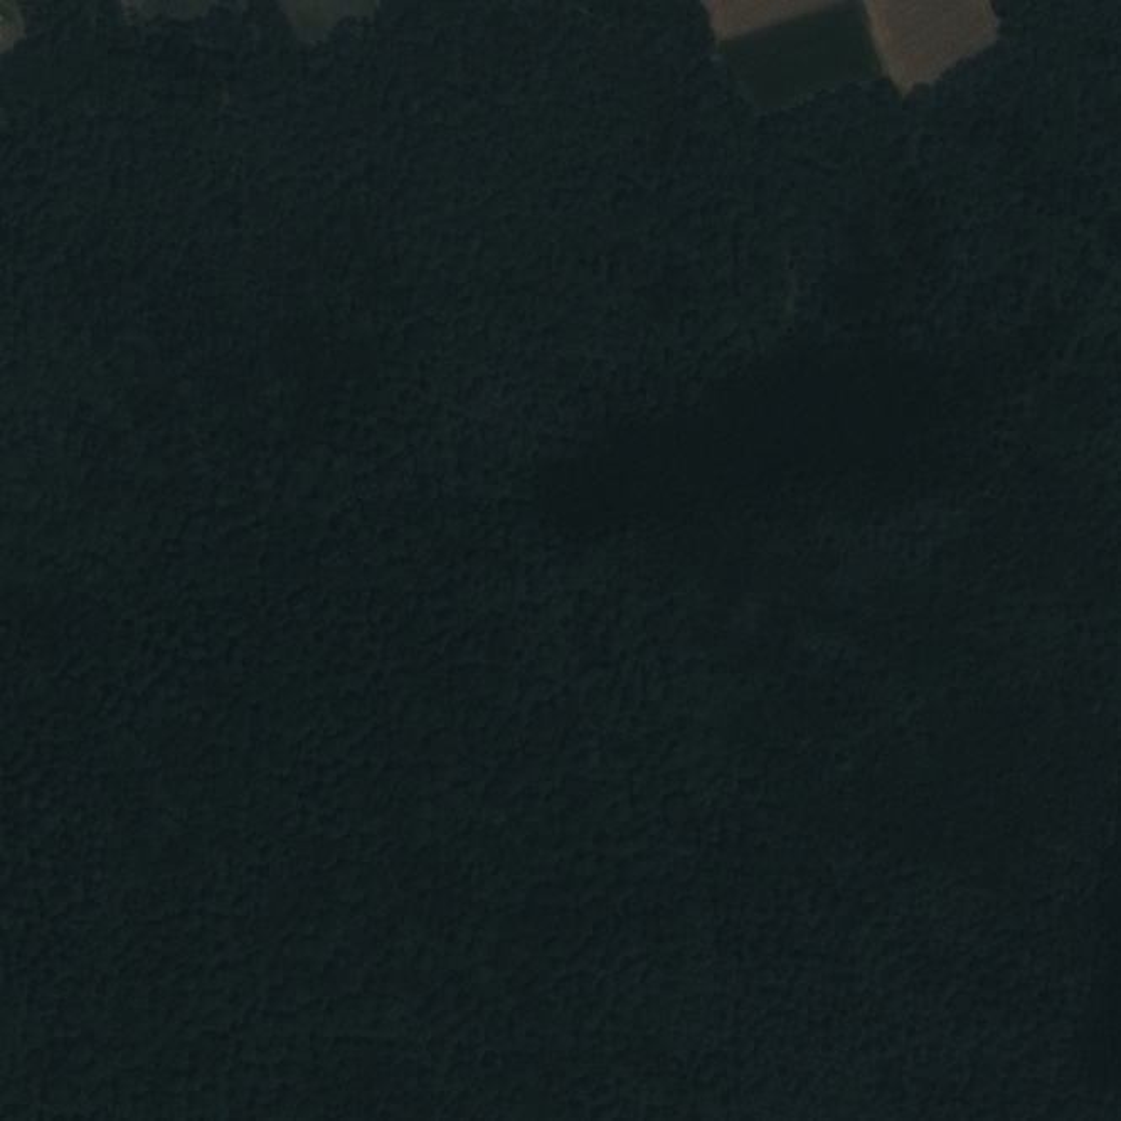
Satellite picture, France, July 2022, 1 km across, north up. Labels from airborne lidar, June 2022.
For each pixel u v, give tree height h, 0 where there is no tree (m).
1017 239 28
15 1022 19
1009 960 8
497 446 23
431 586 12
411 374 15
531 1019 27
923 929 11
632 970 24
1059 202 23
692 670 23
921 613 11
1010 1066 15
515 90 24
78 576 27
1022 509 14
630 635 16
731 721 14
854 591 13
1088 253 26
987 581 14
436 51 28
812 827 14
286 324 16
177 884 22
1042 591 17
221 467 19
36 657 28
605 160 18
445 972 14
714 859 24
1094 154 15
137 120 23
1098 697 10
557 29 24
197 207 15
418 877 19
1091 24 29
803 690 23
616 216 19
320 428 15
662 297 28
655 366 21
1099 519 12
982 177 25
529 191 21
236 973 23
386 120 16
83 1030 8
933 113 25
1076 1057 22
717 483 17
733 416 20
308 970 17
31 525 23
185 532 31
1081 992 16
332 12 0
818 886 26
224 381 15
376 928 17
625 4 13
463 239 21
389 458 19
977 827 15
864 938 13
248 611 24
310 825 24
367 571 25
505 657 24
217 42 15
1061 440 11
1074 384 14
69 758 24
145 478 19
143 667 16
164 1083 14
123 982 14
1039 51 24
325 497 31
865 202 22
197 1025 16
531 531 28
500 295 16
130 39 19
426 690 17
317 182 20
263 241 13
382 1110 10
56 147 13
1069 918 16
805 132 22
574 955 24
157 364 16
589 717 18
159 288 18
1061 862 12
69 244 12
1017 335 14
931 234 15
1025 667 14
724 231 12
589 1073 26
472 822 22
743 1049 25
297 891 19
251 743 18
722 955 25
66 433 16
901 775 15
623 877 24
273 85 13
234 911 26
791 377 21
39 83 28
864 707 13
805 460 18
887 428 17
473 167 22
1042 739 14
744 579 14
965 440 20
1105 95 24
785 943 21
